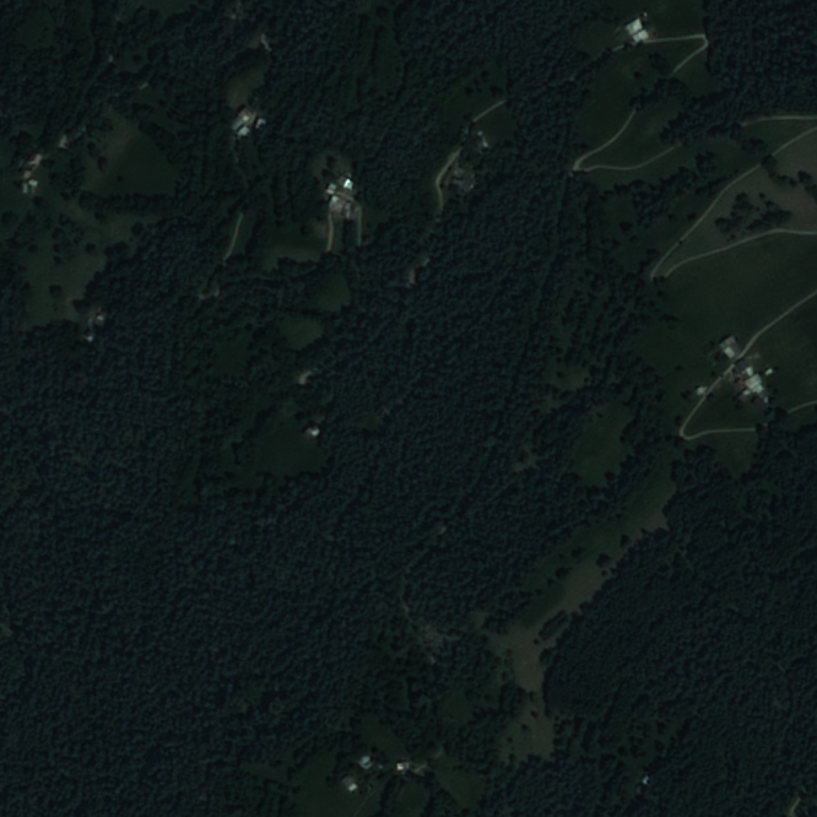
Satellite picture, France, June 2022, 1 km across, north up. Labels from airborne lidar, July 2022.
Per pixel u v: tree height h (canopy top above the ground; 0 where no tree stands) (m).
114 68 14
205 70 26
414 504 23
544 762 14
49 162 9
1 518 13
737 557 33
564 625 10
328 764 0
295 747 16
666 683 31
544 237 14
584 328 12
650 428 11
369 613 16
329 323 16
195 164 24
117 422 30
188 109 25
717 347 7
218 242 18
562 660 21
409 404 19
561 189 13
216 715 25
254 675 15
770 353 0
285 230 15
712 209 0
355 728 15
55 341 23
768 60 25
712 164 21
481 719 17
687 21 0
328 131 25
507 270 20
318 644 31
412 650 11
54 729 12
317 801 0
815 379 0
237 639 26
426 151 17
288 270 23
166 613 30
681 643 33
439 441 31
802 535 33
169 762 36
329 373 21
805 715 17
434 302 25
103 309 18
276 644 19
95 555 30
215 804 32
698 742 22
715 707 27
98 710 36
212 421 19
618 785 23
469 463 17
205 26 28
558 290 21
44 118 15
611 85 0
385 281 19
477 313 14
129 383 19
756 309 0
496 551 30
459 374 21
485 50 23
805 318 0
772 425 10
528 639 0
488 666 13
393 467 22
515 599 19
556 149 13
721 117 24
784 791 7
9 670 24
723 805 20
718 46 22
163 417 27
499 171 11
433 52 24
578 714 19
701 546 21
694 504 24
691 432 0
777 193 0
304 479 17
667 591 24
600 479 0
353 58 18
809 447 25
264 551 23
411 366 30
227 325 21
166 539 27
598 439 0
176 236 27
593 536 0
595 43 0
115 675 27
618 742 25
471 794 0
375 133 15
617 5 0
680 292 0
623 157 0
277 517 25
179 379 23
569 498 30
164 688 23
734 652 34
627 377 20
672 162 0
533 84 23
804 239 0
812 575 20
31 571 23
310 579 24
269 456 0
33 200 0
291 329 0
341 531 26
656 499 0
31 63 15
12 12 20
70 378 31
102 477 25
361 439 28
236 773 17
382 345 28
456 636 14
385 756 9
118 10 24
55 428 28
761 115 20
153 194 0
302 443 0
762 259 0
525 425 19
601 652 26
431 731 20
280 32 8
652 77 0
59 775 28
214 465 20
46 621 22
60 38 14
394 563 12
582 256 18
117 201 18
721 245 0
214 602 18
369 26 20
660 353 0
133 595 27
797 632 19
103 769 30
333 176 15
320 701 33
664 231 0
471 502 13
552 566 0
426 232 23
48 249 0
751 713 25
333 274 23
